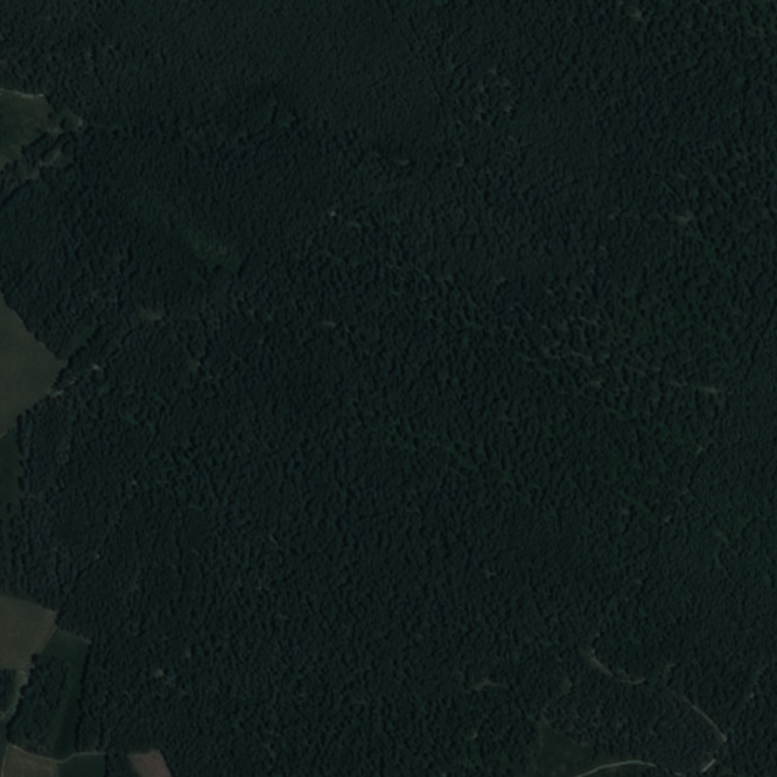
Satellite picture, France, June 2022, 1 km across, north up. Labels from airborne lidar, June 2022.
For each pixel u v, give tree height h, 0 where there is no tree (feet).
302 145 73
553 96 72
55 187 78
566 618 82
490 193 69
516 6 68
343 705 38
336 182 69
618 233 49
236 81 80
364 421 71
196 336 56
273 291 60
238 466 73
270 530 82
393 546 88
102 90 59
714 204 55
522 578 61
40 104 0
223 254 25
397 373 78
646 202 52
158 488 32
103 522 25
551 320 70
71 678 29
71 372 60
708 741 59
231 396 77
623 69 55
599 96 45
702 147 76
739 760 70
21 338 0
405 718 34
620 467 35
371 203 70
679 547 54
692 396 34
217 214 73
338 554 101
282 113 63
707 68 61
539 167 73
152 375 59
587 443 34
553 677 52
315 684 22
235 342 71
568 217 51
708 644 48
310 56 73
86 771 0
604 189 71
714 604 66
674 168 62
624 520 55
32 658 0
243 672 54
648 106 62
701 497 67
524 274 87
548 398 79
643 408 22
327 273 73
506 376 75
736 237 39
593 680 58
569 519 63
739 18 22
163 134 24
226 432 55
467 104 72
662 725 48
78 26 70
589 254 89
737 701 54
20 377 0
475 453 64
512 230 70
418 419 63
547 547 45
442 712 75
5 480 0
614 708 40
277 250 73
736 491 57
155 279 79
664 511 72
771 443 58
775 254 38
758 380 64
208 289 43
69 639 0
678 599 67
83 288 65
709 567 56
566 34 78
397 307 63
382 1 85
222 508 71
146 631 50
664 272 56
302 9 74
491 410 74
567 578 58
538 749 31
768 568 49
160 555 64
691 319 25
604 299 59
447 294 70
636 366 51
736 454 65
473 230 81
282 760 38
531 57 58
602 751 39
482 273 82
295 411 69
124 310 78
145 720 66
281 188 76
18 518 21
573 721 59
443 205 71
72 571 51
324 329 18
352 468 73
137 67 70
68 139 68
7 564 66
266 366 72
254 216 63
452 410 75
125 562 62
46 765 0
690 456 30
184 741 52
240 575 73
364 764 77
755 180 73
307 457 78
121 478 35
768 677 52
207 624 46
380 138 91
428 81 73
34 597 35
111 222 80
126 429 73
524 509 60
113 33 75
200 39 73
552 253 89
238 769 47
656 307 20
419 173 89
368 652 70
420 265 87
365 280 54
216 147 74
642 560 52
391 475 54
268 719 68
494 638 68
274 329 67
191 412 51
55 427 68
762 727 54
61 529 60
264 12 69
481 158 62
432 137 70
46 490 69
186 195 75
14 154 0
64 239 68
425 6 87
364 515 88
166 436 65
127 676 71
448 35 59
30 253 92
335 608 42
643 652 53
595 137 70
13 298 73
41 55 71
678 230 69
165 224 47
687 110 49
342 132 79
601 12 69
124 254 62
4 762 0
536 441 63
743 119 28
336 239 70
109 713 75
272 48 76
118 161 73
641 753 66
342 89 63
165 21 66
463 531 76
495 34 70
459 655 72
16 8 67
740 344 60
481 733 35
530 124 66
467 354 70
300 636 87
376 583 79
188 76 68
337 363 90
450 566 71
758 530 51
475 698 54
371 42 65
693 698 65
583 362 64
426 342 68
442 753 73
